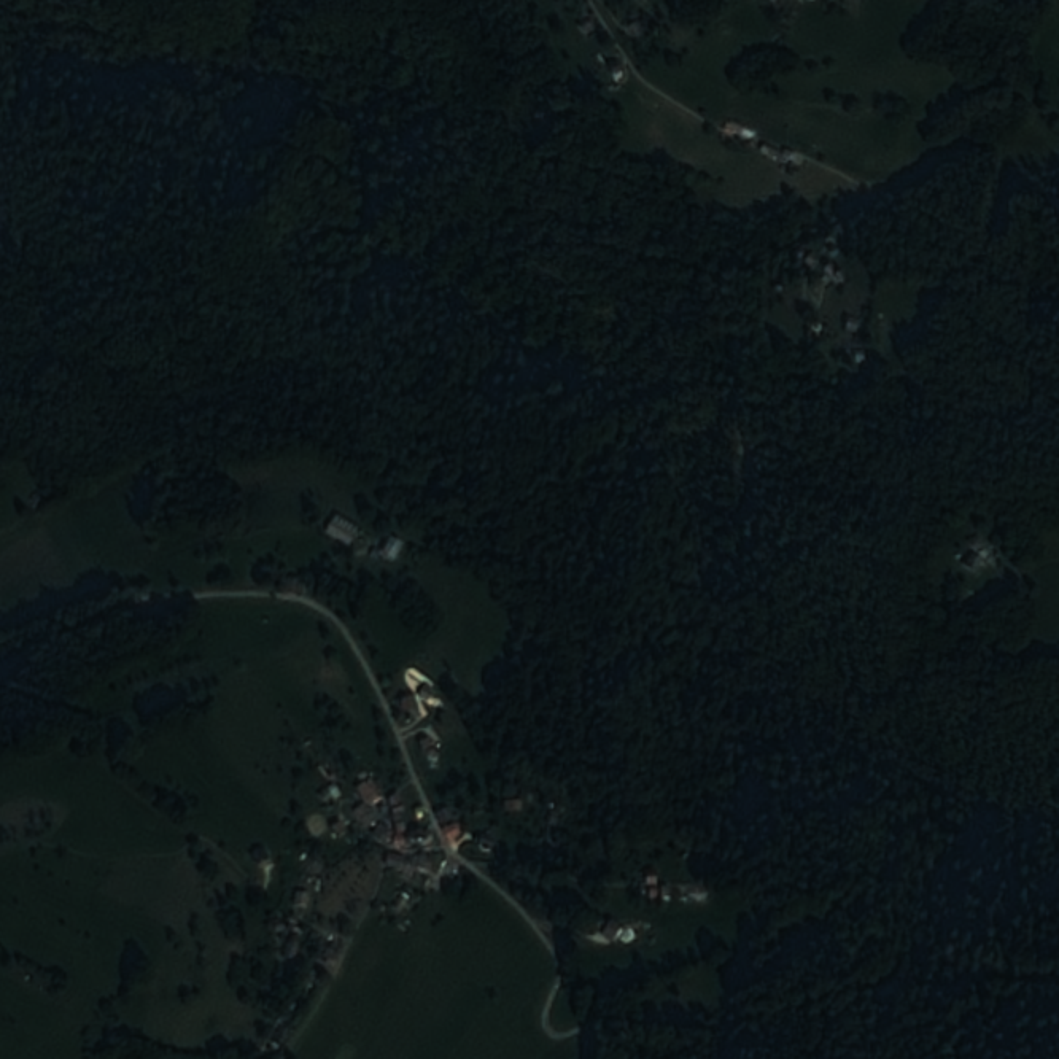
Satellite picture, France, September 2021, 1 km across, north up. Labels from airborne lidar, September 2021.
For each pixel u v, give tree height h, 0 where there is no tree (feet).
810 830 110
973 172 91
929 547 73
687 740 95
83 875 0
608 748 77
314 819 0
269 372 61
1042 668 79
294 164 73
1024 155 0
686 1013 0
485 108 81
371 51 74
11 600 0
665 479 91
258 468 63
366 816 0
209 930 0
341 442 64
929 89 0
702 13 66
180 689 0
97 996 0
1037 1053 91
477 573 66
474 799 56
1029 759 94
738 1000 110
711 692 92
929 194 84
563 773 60
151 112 62
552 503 73
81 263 75
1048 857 93
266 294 76
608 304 82
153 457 79
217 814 0
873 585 90
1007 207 73
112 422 73
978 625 95
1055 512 75
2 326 84
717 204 0
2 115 116
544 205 99
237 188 98
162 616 52
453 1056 0
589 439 83
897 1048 80
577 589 84
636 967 0
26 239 68
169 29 61
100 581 0
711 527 125
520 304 106
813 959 61
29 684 96
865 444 106
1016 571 56
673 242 100
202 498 70
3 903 0
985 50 39
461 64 76
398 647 0
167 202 92
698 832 36
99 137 73
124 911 0
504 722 65
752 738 75
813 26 0
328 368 66
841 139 0
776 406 75
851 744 68
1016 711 67
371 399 101
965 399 102
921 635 103
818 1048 70
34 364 69
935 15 52
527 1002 0
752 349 84
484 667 0
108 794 0
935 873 33
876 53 0
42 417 81
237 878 0
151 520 67
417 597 48
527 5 36
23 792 0
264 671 0
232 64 74
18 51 62
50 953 0
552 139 94
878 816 94
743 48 0
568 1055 0
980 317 82
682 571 72
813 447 89
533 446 69
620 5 47
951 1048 128
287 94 49
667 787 82
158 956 0
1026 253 89
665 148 0
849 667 84
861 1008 79
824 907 66
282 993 51
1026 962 69
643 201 99
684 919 0
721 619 104
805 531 87
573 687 98
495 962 0
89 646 59
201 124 88
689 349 104
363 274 105
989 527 38
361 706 0
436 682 0
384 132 100
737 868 102
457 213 96
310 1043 0
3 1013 0
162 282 63
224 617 0
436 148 114
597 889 46
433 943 0
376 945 0
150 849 0
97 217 89
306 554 0
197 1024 0
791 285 38
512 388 113
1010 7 54
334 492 0
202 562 28
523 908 43
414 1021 0
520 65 98
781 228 102
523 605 82
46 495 36
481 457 78
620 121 66
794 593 67
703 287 78
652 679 48
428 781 0
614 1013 70
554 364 106
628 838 102
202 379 66
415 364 108
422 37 72
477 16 85
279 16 50
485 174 104
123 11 77
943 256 102
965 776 79
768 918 70
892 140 0
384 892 0
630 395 68
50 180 94
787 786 94
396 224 98
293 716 0
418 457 78
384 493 71
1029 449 76
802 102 0
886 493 82
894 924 77
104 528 0
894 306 0
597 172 98
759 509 82
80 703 78
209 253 46
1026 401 72
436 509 86
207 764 0
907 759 95
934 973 72
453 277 60
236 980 36
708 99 0
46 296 77
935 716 94
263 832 0
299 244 45
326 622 0
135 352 92
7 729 71
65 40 108
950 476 77
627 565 94
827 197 24
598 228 105
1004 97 68
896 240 96
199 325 58
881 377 72
